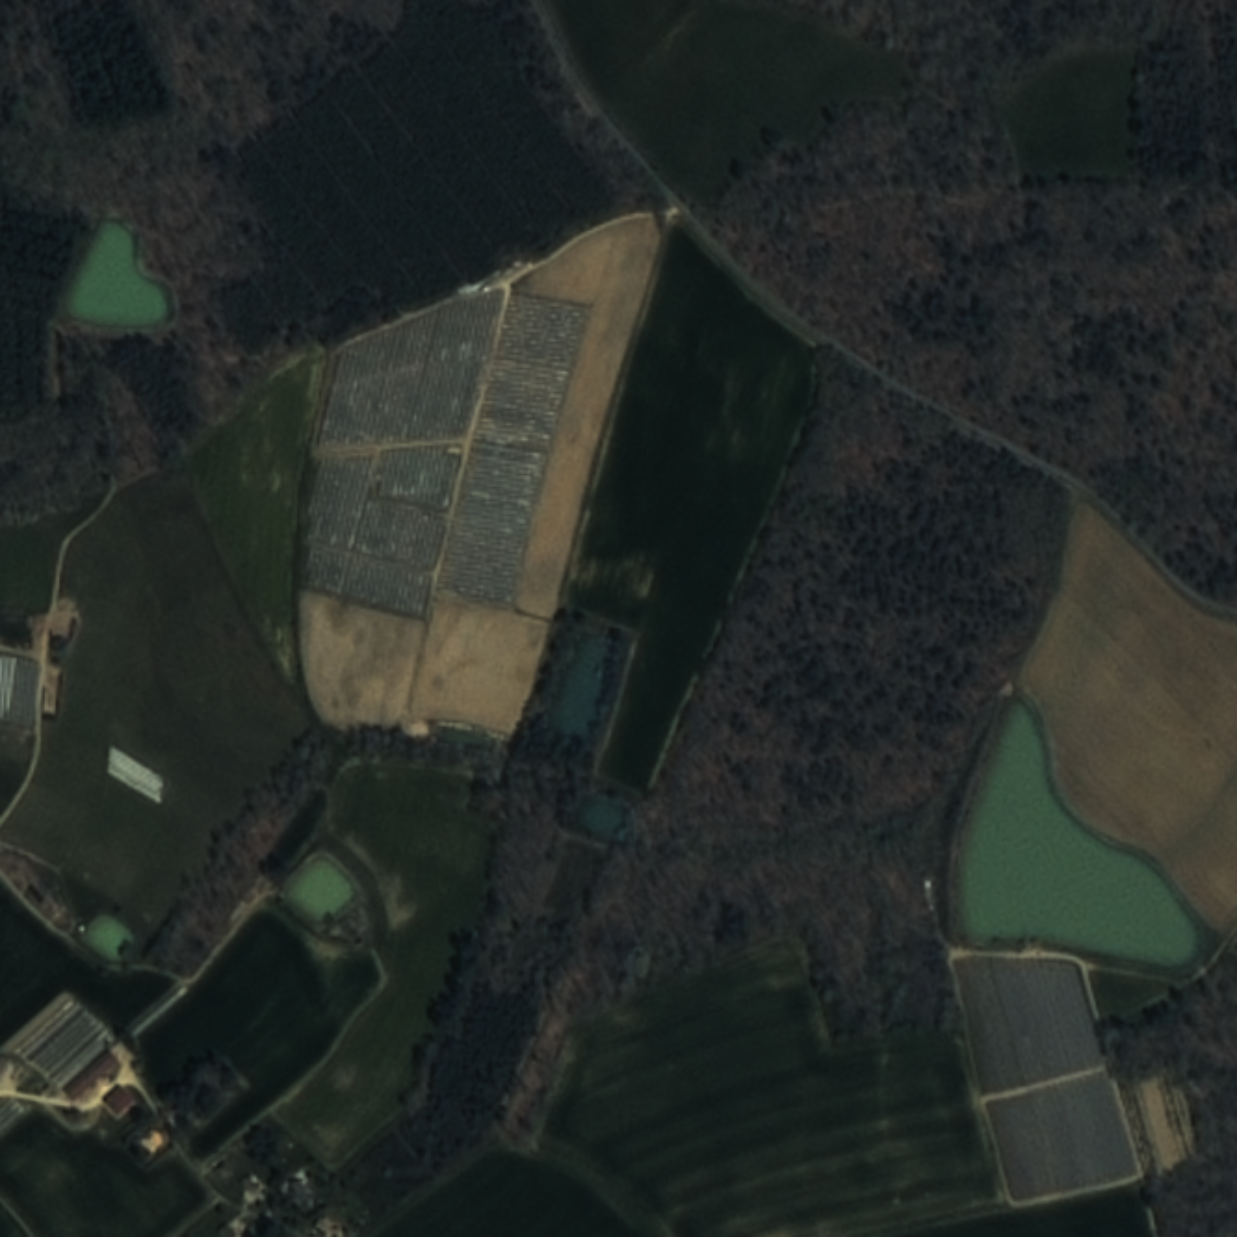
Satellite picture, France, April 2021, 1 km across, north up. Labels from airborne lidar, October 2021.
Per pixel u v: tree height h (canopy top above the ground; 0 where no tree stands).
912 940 12
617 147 10
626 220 0
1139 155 9
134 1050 10
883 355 10
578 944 11
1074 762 0
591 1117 0
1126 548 0
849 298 9
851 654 12
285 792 7
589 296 0
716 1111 0
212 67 15
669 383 0
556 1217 0
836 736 12
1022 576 7
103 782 0
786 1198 0
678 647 0
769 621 11
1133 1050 16
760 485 0
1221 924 0
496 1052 14
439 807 0
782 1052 0
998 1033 0
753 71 0
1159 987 0
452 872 0
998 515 12
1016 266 9
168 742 0
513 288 0
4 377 15
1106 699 0
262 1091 0
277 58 12
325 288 15
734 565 0
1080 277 15
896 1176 0
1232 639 0
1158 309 8
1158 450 15
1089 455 8
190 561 0
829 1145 0
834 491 13
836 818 9
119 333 0
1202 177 20
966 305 7
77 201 16
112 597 0
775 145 15
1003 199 7
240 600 0
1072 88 0
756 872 18
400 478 0
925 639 10
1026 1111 0
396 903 0
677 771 14
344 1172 0
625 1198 0
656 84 0
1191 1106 10
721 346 0
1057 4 11
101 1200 0
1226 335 17
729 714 7
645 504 0
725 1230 0
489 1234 0
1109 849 0
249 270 13
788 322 0
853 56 0
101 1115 0
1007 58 17
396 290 14
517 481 0
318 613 0
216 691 0
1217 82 7
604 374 0
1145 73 11
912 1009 14
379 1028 0
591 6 0
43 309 20
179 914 10
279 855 0
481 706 0
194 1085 16
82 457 20
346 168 14
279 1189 7
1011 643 7
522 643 0
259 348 14
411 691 0
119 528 0
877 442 10
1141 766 0
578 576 0
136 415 16
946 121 10
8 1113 0
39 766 0
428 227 17
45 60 14
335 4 7
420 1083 12
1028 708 0
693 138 0
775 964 0
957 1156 0
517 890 13
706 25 0
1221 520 16
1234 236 11
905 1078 0
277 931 0
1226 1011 10
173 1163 0
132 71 22
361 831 0
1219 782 0
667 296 0
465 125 16
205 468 0
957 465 11
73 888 0
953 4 12
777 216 16
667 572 0
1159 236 14
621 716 0
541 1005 10
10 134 19
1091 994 0
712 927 16
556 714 0
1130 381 10
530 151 14
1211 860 0
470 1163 0
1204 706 0
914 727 8
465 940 0
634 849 14
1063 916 0
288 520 0
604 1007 11
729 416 0
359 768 0
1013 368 16
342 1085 0
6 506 16
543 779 19
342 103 15
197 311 6
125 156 18
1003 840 0
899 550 12
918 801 8
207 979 0
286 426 0
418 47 14
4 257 19
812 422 7
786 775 10
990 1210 0
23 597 0
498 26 16
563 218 14
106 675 0
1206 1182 11
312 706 0
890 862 19
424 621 0
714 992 0
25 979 0
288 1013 0
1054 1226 0
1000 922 0
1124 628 0
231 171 25
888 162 12
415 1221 0
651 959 11
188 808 0
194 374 14
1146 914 0
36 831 0
